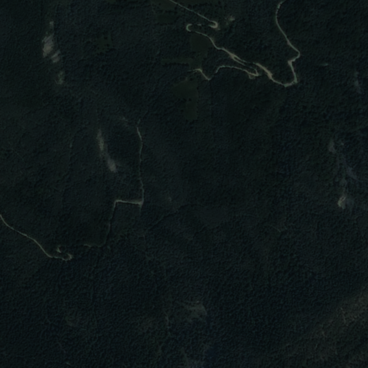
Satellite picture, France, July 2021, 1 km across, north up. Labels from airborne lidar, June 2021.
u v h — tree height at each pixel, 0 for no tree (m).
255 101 20
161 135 12
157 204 9
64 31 12
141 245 8
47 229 14
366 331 11
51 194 9
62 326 23
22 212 14
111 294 12
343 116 11
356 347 15
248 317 22
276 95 14
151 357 26
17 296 19
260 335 23
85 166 11
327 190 13
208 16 10
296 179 6
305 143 17
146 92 10
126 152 13
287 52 12
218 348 13
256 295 19
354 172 7
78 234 16
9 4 9
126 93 17
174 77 14
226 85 12
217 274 13
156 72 13
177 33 10
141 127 9
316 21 11
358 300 7
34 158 15
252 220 12
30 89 7
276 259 17
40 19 15
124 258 12
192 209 13
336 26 17
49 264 13
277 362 12
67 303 13
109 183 6
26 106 8
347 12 17
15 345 22
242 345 11
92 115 8
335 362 16
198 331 8
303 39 9
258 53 18
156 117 16
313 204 10
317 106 12
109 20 7
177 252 11
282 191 15
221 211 15
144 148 8
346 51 14
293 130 11
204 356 8
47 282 19
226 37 12
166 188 8
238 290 17
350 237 12
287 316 19
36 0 12
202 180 15
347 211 7
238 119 13
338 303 11
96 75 12
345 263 21
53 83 10
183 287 10
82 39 12
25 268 8
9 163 11
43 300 17
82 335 17
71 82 8
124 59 10
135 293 19
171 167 9
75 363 21
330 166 7
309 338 7
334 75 10
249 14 9
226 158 11
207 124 9
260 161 13
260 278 15
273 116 16
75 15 7
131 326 16
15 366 20
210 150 9
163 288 23
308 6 13
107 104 8
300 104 14
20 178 11
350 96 13
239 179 12
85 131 7
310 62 13
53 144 10
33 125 13
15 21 11
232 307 18
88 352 12
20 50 13
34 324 26
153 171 10
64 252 10
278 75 19
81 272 20
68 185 14
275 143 17
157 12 7
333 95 8
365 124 8
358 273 15
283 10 14
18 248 11
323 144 14
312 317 9
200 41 0
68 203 15
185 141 13
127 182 10
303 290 15
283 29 9
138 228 13
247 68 11
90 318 14
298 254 14
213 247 11
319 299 21
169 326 9
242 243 17
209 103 9
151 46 10
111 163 0
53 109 14
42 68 8
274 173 16
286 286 24
